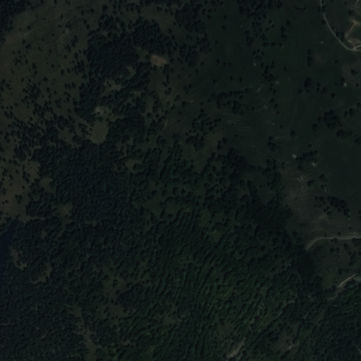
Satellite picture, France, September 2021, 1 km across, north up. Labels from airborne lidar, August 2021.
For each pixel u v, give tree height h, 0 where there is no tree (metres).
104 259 18
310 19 0
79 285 9
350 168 0
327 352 17
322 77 0
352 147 0
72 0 0
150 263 14
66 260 16
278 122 0
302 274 21
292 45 0
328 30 0
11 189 0
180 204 14
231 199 17
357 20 0
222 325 14
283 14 0
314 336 14
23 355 14
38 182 13
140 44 20
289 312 18
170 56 16
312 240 6
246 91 8
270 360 12
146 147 0
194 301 15
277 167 15
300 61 0
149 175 18
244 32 0
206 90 0
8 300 12
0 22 11
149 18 0
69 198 13
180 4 14
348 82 0
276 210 23
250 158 0
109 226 17
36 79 0
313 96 0
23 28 0
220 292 11
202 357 23
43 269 20
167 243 16
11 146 0
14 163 13
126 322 12
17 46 0
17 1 0
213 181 15
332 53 0
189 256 15
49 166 19
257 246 22
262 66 9
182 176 13
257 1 13
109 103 10
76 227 14
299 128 0
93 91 15
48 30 0
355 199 0
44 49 0
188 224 15
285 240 20
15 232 9
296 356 10
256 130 0
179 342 15
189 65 12
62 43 0
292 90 0
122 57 17
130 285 10
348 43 0
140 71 17
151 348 15
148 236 13
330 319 21
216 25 0
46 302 17
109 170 16
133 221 19
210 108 0
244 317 11
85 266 16
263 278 19
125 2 15
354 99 0
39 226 22
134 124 22
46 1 0
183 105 13
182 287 7
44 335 9
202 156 0
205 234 13
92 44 11
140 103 16
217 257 15
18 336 12
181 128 0
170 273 10
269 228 21
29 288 14
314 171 0
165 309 13
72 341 15
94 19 0
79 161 20
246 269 13
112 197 22
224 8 0
